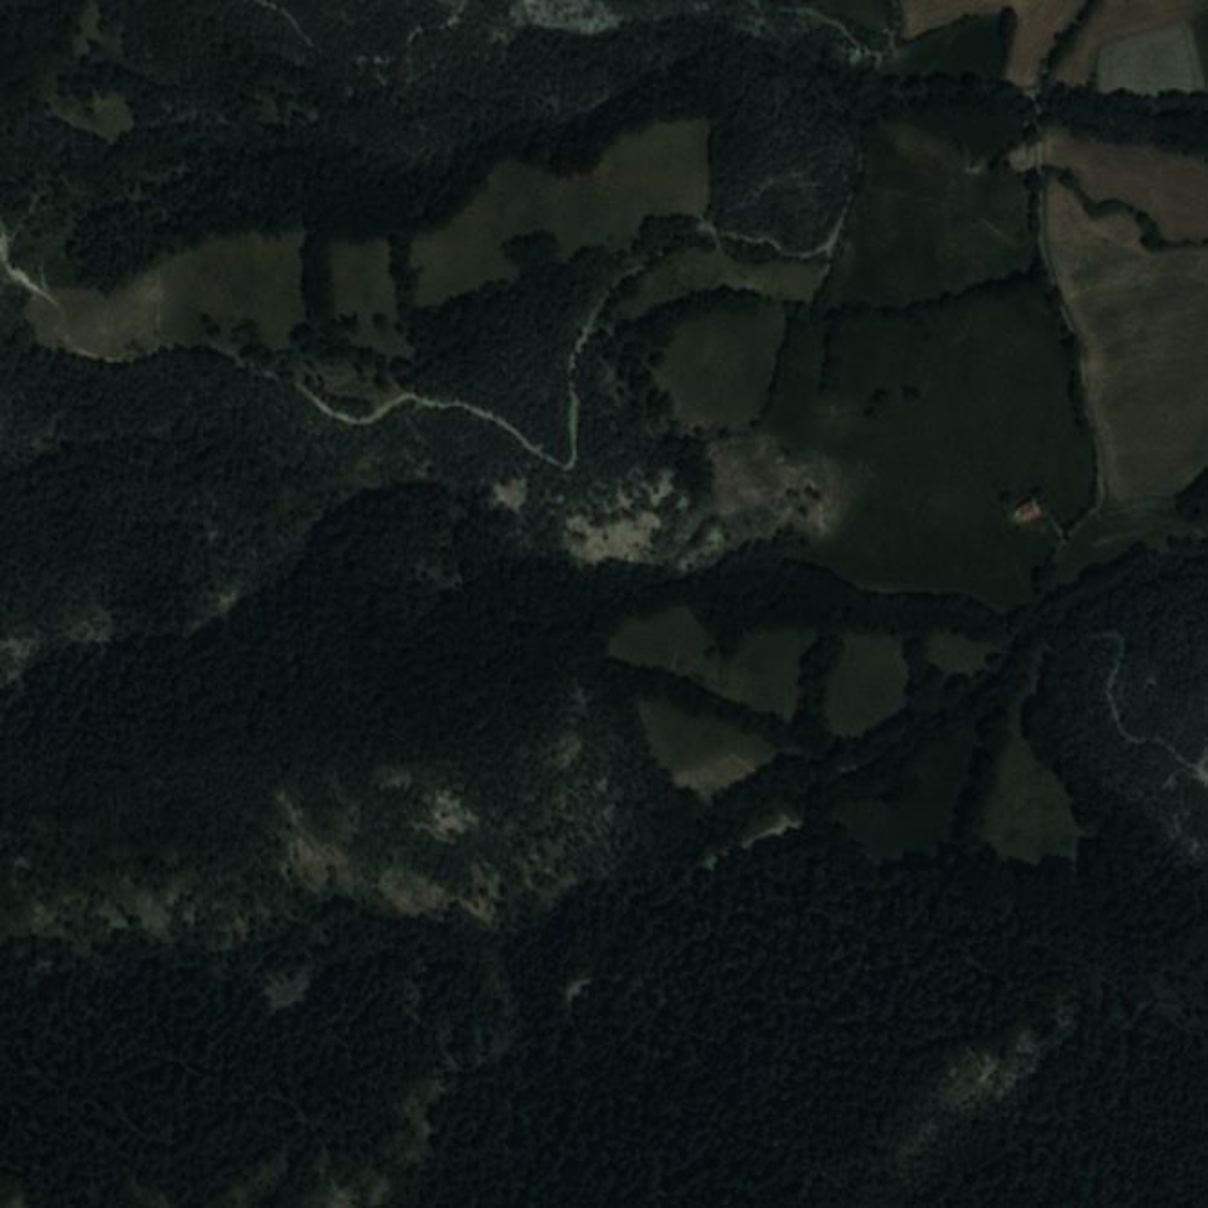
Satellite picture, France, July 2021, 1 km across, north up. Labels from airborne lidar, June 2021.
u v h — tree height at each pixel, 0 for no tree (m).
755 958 30
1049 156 0
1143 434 0
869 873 28
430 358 13
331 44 13
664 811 19
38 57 22
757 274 0
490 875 9
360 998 23
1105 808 27
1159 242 9
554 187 0
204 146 19
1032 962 17
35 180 14
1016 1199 24
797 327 14
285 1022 23
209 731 20
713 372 0
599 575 17
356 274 0
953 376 0
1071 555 0
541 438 9
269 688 28
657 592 25
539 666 21
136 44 14
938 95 18
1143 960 27
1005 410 0
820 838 28
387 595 21
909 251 0
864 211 0
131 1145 22
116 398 13
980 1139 20
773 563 15
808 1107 21
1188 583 21
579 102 9
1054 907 21
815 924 24
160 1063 9
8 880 10
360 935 23
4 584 13
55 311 0
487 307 19
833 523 0
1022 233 0
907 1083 19
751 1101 18
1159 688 6
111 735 30
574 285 14
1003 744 19
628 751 7
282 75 18
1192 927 16
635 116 16
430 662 33
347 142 16
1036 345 0
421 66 6
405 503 25
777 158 7
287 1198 16
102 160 23
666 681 16
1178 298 0
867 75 12
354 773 11
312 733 19
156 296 0
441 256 0
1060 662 21
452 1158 20
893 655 0
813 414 0
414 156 7
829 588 26
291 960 29
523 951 25
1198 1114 18
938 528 0
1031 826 0
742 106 12
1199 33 0
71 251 15
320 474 11
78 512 18
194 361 18
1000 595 0
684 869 16
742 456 0
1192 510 11
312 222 23
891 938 23
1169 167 0
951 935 24
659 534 6
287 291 0
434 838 7
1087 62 0
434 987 18
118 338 0
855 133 10
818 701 21
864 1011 29
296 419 9
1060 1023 14
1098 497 9
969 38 0
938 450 0
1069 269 0
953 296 14
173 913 7
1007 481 0
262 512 15
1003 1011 23
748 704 12
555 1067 30
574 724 7
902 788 19
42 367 15
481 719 21
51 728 28
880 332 0
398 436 8
